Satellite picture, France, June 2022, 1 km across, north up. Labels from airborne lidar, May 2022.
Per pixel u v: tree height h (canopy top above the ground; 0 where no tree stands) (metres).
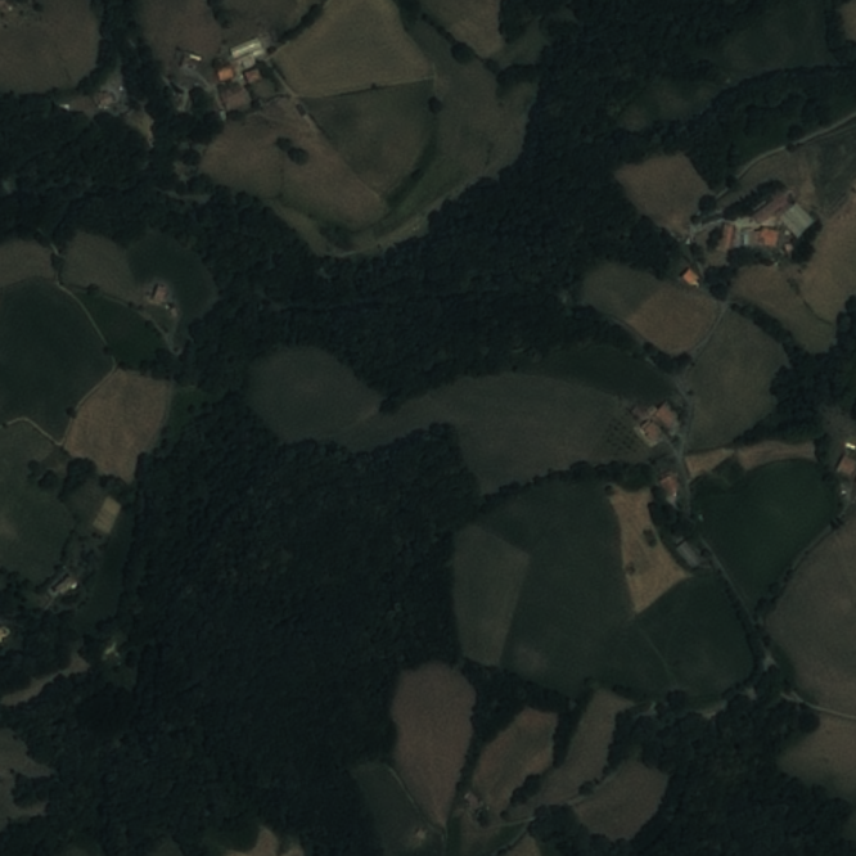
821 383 26
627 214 19
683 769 17
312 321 13
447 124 0
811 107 15
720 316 0
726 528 0
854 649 0
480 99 0
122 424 0
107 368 0
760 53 0
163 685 21
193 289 0
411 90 0
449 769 0
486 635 0
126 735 7
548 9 27
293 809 24
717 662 0
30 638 15
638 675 0
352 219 0
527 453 0
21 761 0
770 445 0
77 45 0
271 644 23
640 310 0
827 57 0
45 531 0
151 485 26
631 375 0
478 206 24
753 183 0
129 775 27
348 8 0
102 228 21
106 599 0
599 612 0
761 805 26
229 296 16
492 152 0
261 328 28
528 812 0
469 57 19
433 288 28
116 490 19
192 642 24
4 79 0
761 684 16
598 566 0
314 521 17
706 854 19
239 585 23
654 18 17
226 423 20
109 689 14
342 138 0
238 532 16
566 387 0
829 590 0
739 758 19
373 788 0
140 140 15
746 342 0
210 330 19
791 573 8
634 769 0
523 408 0
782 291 0
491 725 14
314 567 16
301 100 0
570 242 24
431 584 18
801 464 0
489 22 0
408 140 0
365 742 14
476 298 15
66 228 18
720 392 0
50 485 17
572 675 0
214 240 18
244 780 18
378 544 21
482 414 0
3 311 0
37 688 0
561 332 17
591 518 0
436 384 24
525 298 17
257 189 0
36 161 22
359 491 22
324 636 31
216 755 13
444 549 18
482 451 0
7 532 0
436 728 0
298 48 0
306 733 16
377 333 21
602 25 18
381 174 0
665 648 0
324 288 23
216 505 10
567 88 21
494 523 0
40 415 0
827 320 0
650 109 0
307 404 0
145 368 11
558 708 12
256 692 21
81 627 0
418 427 0
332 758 20
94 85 20
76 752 23
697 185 0
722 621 0
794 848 27
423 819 0
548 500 0
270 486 22
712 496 0
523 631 0
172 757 18
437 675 0
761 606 12
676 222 0
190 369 17
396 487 20
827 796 8
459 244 25
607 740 0
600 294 0
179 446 12
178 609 26
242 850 0
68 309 0
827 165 0
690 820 19
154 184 20
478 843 0
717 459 0
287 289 13
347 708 18
